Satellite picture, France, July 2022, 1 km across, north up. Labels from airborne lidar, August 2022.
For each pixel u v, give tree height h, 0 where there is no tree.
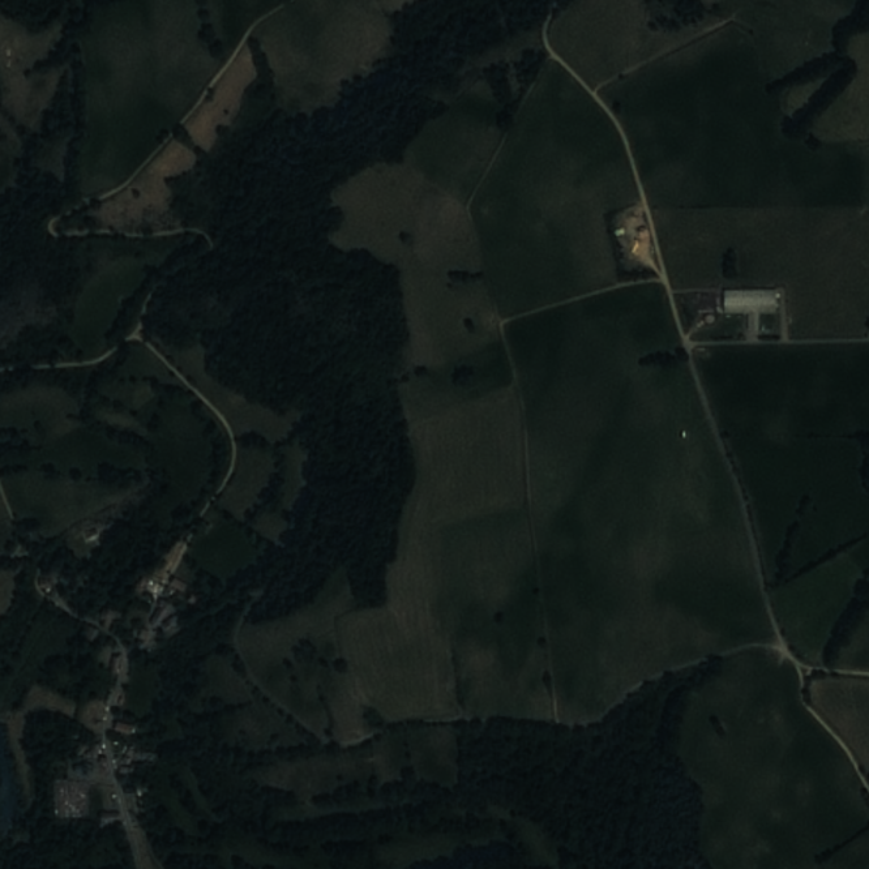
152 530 17
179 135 16
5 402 0
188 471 0
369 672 0
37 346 17
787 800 0
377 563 6
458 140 0
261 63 15
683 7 16
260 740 0
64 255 9
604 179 0
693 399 0
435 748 0
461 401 0
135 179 0
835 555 10
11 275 8
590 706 0
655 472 0
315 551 11
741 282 0
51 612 9
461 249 0
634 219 0
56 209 14
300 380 18
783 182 0
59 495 0
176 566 0
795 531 12
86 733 9
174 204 7
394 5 0
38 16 10
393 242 0
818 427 0
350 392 8
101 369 11
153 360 0
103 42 0
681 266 0
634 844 26
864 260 0
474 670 0
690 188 0
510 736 9
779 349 0
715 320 0
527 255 0
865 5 18
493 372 0
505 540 0
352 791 17
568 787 15
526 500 0
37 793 8
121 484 13
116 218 0
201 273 11
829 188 0
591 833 24
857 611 18
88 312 0
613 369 0
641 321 0
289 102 0
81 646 19
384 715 0
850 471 0
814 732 0
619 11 0
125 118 0
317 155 21
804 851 0
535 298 0
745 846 0
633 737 19
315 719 0
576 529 0
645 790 27
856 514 0
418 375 12
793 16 0
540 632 0
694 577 0
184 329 12
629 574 0
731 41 0
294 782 0
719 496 0
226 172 17
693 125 0
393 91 25
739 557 0
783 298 0
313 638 0
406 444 12
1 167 0
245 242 23
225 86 0
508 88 12
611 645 0
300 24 0
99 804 0
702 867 15
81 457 0
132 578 13
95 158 0
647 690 7
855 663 0
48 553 13
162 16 0
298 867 0
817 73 18
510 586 0
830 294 0
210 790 16
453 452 0
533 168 0
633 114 0
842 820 0
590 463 0
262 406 9
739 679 0
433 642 0
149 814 8
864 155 0
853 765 0
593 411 0
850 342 0
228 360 16
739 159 0
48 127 19
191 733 13
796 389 0
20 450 19
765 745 0
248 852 0
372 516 14
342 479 16
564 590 0
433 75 15
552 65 0
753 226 0
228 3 0
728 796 0
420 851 0
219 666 0
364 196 0
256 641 0
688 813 21
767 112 0
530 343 0
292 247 8
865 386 0
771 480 0
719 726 13
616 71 0
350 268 8
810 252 0
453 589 0
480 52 15
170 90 0
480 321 0
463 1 18
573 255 0
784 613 0
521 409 0
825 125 0
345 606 0
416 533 0
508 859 22
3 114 7
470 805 17
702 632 0
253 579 17
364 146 21
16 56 0
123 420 0
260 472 0
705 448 0
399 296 6
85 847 17
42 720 20
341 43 0
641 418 0
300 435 23
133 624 8
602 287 0
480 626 0
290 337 8
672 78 0
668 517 0
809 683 9
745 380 0
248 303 11
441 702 0
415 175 0
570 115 0
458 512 0
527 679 0
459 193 0
